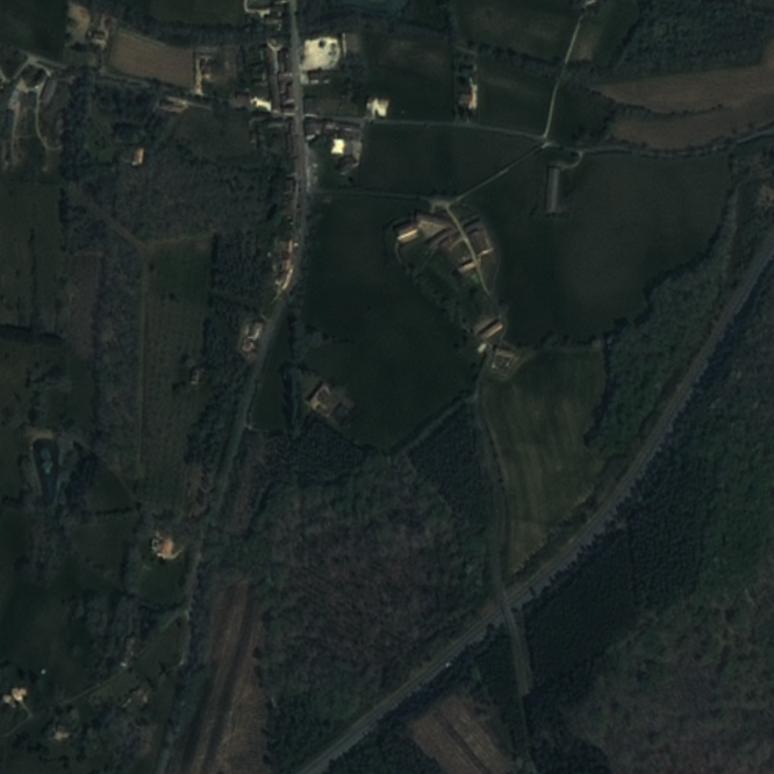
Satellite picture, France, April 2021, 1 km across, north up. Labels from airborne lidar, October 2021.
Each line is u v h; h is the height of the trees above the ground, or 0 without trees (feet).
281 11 32
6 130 22
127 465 76
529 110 0
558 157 0
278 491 79
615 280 0
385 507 73
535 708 60
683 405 0
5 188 0
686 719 48
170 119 31
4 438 0
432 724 0
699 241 0
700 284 82
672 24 45
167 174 51
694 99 0
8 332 54
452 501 52
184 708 71
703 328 30
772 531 91
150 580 0
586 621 62
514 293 0
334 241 0
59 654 0
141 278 53
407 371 0
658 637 77
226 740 0
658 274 0
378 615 21
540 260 0
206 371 22
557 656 68
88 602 57
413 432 0
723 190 0
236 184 36
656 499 64
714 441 63
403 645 26
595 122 0
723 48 67
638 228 0
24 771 0
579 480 0
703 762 22
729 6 58
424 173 0
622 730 52
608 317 0
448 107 0
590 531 0
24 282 0
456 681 42
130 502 0
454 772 0
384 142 0
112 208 24
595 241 0
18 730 0
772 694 73
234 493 49
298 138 0
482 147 0
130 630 39
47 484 0
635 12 0
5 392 0
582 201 0
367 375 0
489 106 0
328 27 64
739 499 77
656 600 64
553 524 0
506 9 0
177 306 25
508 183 0
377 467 86
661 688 49
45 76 25
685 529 68
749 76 0
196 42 71
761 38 60
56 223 0
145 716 26
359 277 0
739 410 73
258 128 22
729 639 72
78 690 0
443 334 0
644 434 41
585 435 0
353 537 31
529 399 0
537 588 0
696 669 31
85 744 23
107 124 0
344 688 59
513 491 0
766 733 34
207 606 45
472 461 53
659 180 0
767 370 62
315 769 0
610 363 67
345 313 0
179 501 35
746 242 24
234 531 77
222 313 49
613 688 78
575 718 83
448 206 0
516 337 0
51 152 0
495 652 54
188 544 73
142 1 0
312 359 0
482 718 58
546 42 0
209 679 69
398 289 0
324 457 66
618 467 38
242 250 50
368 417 0
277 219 59
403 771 64
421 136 0
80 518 72
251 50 32
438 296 36
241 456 24
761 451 74
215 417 56
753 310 44
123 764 68
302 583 28
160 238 61
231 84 0
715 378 41
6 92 36
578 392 0
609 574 58
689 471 70
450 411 38
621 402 89
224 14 0
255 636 0
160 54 0
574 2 53
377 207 0
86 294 0
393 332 0
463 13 0
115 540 0
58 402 0
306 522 57
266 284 51
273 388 0
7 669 26
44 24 0
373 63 0
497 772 0
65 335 29
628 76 46
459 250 0
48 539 0
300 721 58
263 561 62
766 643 71
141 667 0
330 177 0
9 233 0
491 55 57
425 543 59
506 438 0
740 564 72
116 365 66
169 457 23
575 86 65
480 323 0
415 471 52
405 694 0
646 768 63
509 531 0
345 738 0
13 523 0
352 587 22
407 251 33
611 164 0
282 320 0
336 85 0
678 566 68
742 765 65
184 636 0
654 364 84
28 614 0
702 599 77
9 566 0
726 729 78
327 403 48
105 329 64
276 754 67
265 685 92
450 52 0
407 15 37
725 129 0
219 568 59
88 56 0
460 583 49
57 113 0
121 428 72
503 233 0
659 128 0
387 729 43
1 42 0
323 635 24
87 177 65
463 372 0
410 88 0
